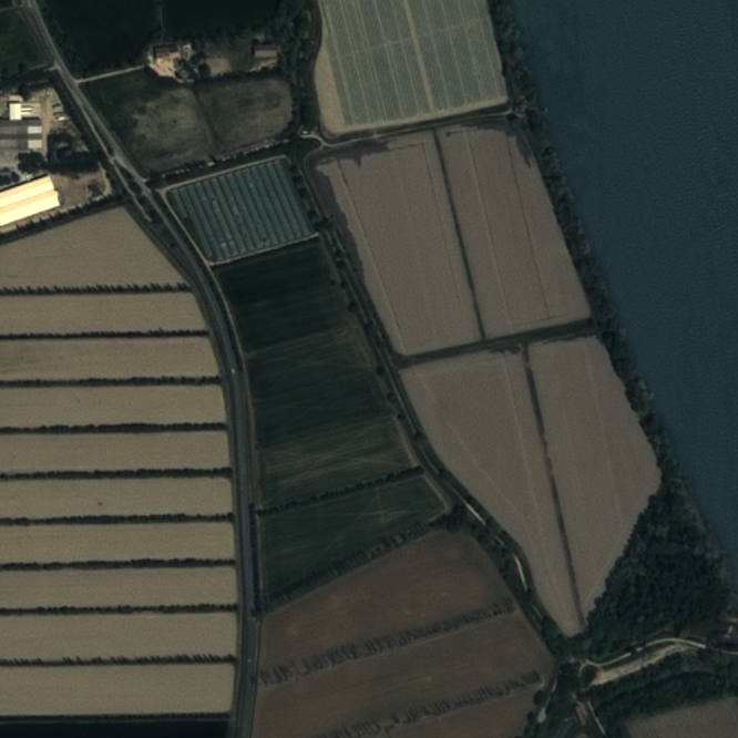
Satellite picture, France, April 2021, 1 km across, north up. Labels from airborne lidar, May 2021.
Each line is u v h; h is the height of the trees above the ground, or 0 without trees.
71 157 12
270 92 0
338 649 0
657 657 0
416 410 0
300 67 12
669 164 0
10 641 0
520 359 0
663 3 0
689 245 0
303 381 0
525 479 0
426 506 0
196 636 0
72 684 0
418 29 0
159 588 0
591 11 0
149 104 0
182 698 0
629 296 0
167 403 0
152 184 9
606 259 0
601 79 0
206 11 0
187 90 0
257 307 0
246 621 0
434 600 0
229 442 0
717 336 0
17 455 0
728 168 0
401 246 0
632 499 0
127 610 8
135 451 0
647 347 0
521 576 0
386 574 0
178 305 0
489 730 0
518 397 0
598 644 14
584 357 0
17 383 9
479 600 0
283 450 0
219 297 7
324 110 0
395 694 0
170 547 0
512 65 10
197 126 0
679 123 0
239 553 0
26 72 10
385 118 0
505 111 0
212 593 0
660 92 0
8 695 0
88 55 0
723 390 0
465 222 0
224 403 0
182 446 0
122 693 0
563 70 0
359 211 0
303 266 0
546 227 0
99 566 11
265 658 0
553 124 0
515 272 0
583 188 0
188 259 0
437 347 0
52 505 0
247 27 8
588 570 0
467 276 0
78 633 0
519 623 0
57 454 0
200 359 0
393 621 0
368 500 0
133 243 0
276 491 0
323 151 0
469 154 0
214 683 0
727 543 0
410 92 0
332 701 0
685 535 19
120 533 0
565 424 0
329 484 0
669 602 11
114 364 0
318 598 0
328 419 0
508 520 0
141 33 0
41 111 0
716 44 0
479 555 0
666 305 0
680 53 0
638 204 0
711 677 18
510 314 0
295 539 0
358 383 0
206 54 8
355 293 0
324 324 0
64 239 0
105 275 0
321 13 0
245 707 0
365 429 0
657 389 0
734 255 0
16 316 0
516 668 0
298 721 0
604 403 0
